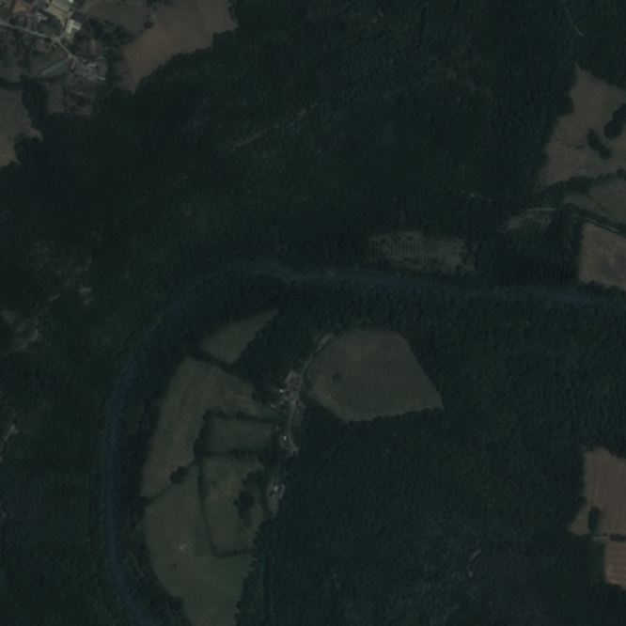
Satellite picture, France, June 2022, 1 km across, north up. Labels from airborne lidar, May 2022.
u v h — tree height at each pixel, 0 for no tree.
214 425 0
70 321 17
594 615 17
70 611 15
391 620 18
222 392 0
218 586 0
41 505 13
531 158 15
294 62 18
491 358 14
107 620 14
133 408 25
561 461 15
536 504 15
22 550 24
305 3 13
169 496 0
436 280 18
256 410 0
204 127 13
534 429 14
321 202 12
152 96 12
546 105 16
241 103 15
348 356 0
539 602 17
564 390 15
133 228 18
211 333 18
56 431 13
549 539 15
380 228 19
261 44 9
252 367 10
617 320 22
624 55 13
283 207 12
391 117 16
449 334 17
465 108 16
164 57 0
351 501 13
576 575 11
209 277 14
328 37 17
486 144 19
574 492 15
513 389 12
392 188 20
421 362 12
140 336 28
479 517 26
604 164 0
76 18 0
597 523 13
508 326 18
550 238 22
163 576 0
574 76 10
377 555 11
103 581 21
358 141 18
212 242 19
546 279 10
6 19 0
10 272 18
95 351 14
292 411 0
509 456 9
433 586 15
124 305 7
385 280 0
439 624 13
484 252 20
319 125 9
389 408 0
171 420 0
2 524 9
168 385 17
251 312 18
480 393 12
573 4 8
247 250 26
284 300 20
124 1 9
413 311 19
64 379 16
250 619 13
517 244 26
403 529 23
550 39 10
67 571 22
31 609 15
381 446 18
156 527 0
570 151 0
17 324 8
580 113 0
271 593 15
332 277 0
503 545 7
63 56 0
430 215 28
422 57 17
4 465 17
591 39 12
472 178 13
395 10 18
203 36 0
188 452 0
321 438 18
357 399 0
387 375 0
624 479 0
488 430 12
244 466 0
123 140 15
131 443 21
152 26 9
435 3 9
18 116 0
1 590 13
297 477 20
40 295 15
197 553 0
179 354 29
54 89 0
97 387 18
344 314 17
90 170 11
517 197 14
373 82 25
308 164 10
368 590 21
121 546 20
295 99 9
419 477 20
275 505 0
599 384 18
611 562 0
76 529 24
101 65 0
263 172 12
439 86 9
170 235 14
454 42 16
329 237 24
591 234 0
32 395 15
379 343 0
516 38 14
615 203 0
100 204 15
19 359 17
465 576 9
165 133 14
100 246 17
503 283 18
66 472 17
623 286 0
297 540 22
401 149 16
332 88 16
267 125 9
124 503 28
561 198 7
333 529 18
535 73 10
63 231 14
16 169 17
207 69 14
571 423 13
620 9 16
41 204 18
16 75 0
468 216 28
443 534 14
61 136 11
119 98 10
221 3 0
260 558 21
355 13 11
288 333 7
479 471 17
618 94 0
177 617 17
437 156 12
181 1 0
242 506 9
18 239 15
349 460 17
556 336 19
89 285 16
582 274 0
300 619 13
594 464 0
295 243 20
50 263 11
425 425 15
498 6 19
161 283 12
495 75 14
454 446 13
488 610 14
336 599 17
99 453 20
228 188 16
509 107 18
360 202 20
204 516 0
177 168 13
